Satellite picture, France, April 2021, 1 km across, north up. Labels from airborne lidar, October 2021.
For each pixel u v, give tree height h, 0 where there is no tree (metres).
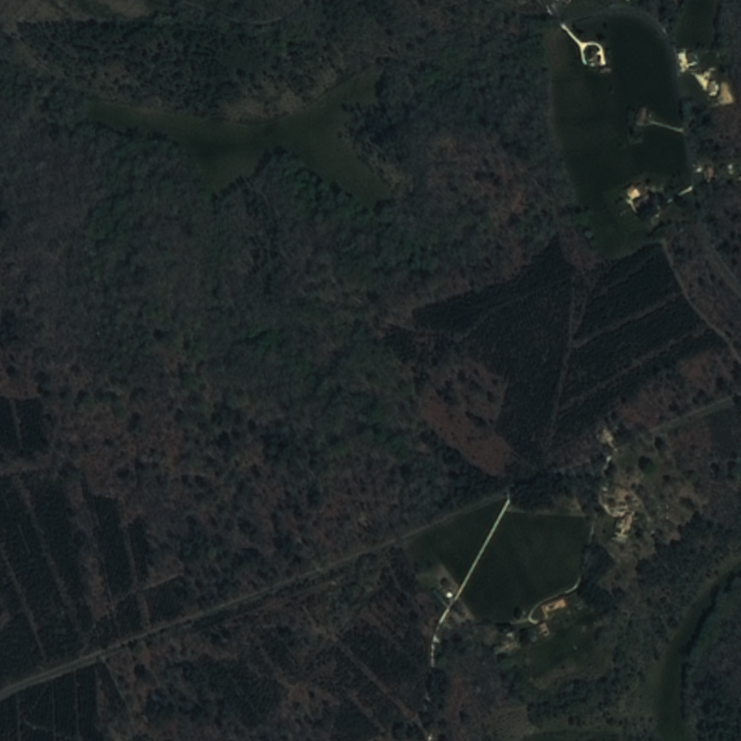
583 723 14
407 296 11
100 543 8
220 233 22
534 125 22
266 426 8
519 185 14
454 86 13
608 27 9
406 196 8
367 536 7
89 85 10
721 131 7
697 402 10
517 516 0
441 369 21
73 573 10
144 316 17
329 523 11
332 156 0
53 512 10
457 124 15
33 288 17
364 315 15
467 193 13
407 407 10
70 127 23
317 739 11
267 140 0
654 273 8
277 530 19
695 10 0
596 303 8
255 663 6
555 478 14
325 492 10
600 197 0
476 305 9
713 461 15
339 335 18
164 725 28
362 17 19
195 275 19
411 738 16
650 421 8
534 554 0
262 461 10
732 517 12
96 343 16
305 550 13
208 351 14
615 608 18
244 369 22
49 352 8
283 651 8
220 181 0
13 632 6
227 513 13
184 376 15
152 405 6
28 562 9
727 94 0
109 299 22
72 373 10
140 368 19
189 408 17
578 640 0
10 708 9
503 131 21
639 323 9
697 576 24
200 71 17
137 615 8
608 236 0
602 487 16
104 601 10
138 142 24
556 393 7
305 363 26
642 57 0
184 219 17
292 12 21
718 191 17
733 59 11
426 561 0
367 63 21
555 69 0
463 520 0
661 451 19
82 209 15
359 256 21
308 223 14
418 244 22
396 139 20
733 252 13
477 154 9
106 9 0
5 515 9
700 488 19
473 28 17
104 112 0
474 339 7
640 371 9
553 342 7
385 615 6
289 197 25
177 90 9
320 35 20
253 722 7
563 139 0
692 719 13
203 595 22
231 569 15
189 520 11
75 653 7
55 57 21
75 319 14
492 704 14
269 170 17
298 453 16
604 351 7
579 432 7
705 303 6
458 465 20
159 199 17
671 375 8
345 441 15
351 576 6
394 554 8
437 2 17
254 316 30
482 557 0
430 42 17
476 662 8
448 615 0
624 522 0
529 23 15
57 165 13
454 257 18
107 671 7
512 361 8
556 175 22
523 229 25
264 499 6
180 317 18
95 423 5
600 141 0
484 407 7
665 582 21
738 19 17
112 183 13
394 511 14
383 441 24
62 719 9
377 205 0
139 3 0
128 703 13
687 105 17
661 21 10
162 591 7
